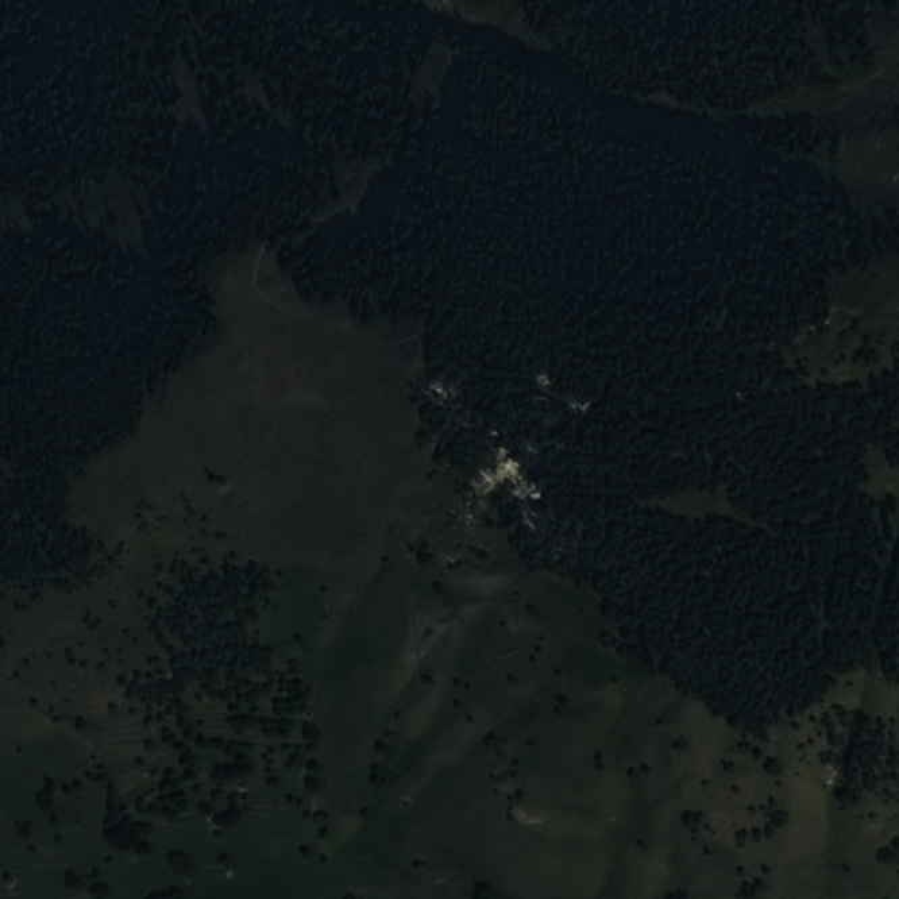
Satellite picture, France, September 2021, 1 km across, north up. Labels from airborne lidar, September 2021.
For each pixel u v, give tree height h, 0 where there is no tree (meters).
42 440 17
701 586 16
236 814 14
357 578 0
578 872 0
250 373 0
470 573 0
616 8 24
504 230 17
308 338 0
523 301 15
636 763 0
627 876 0
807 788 0
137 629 0
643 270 27
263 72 22
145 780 0
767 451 20
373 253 15
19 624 0
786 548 22
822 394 16
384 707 0
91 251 15
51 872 0
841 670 18
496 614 0
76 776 0
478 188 22
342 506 0
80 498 0
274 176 22
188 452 0
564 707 16
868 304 0
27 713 0
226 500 0
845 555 7
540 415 8
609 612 19
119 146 23
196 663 12
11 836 0
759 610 22
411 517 0
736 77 28
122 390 16
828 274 12
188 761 14
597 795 0
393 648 0
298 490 0
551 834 0
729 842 0
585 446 27
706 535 16
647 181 9
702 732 0
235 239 22
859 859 0
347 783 0
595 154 25
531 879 0
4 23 27
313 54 28
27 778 0
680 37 31
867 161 0
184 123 0
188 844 0
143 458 0
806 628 23
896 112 0
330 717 0
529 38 0
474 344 17
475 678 0
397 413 0
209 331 10
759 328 10
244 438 0
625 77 26
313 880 0
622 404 14
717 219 16
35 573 7
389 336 0
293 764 16
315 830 0
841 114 0
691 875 0
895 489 0
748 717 17
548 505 17
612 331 20
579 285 24
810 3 8
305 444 0
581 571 15
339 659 0
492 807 0
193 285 15
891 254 6
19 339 17
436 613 0
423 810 0
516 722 0
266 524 0
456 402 8
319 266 25
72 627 0
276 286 0
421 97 0
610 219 14
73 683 0
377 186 0
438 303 21
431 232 14
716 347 22
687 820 14
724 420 24
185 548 0
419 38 20
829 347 0
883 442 18
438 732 0
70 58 18
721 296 15
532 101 15
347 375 0
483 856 0
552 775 0
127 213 0
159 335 23
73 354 16
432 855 0
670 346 21
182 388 0
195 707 0
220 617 14
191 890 0
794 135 9
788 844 0
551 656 0
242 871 0
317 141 18
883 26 0
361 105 19
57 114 24
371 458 0
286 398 0
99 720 0
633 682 0
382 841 0
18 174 13
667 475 20
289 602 0
